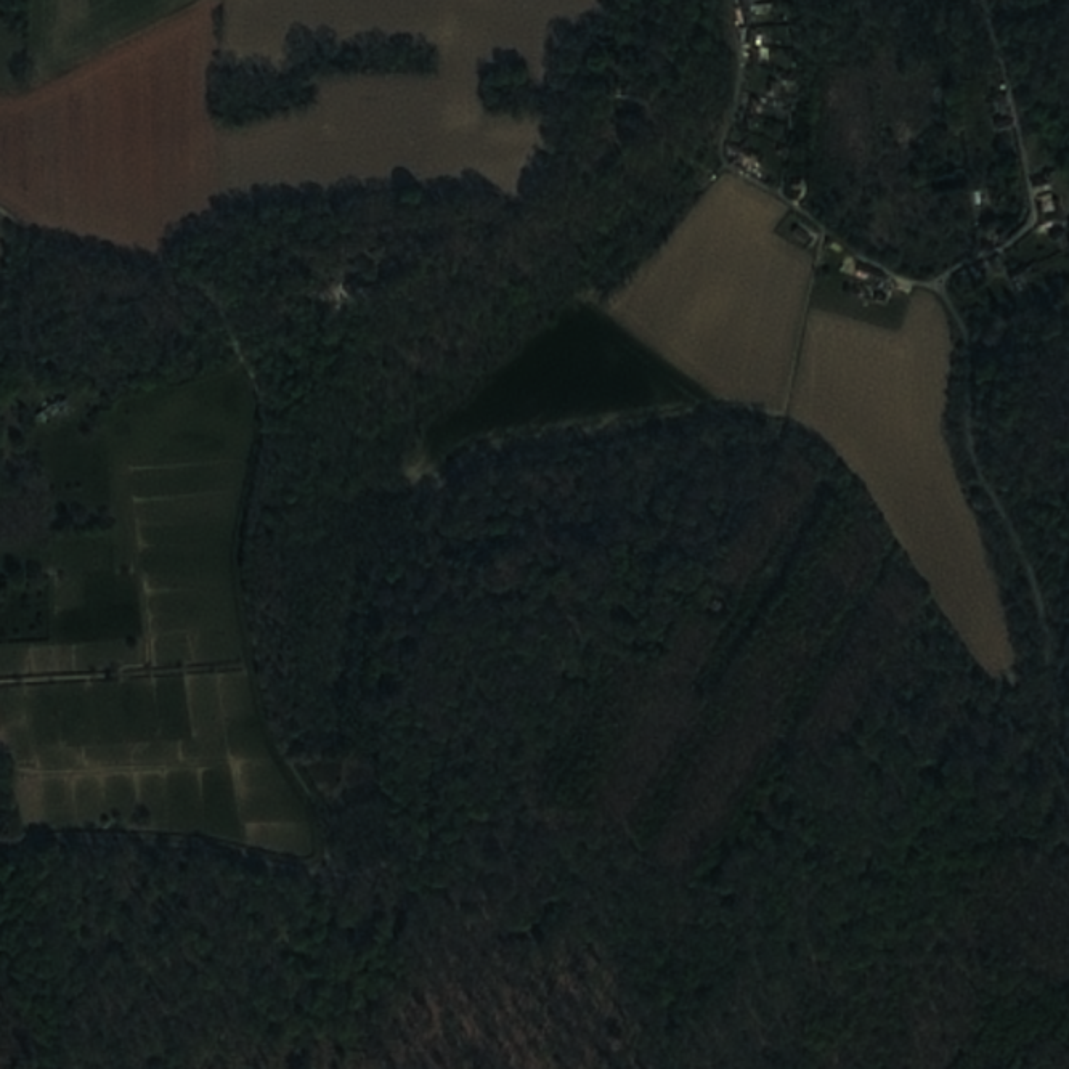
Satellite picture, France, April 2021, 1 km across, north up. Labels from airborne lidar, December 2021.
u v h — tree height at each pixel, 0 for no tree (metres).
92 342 22
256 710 0
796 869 30
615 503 28
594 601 25
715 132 6
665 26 24
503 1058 36
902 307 0
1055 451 15
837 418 0
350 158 0
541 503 26
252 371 19
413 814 26
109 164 0
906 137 0
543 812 18
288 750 12
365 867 26
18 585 14
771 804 13
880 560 8
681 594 19
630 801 23
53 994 28
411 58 15
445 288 18
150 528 0
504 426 0
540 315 25
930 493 0
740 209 0
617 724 22
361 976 18
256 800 0
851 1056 27
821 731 24
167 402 0
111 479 0
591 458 16
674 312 0
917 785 26
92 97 0
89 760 0
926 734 33
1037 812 29
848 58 12
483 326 25
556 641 25
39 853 30
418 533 23
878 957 19
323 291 0
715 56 20
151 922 37
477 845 34
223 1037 35
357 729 24
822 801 25
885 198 18
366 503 19
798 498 19
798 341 0
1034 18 21
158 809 0
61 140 0
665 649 16
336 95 0
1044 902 25
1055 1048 25
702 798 24
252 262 26
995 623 0
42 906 31
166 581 0
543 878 33
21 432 8
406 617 29
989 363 32
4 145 0
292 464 24
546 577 16
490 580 23
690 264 0
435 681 20
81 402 0
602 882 27
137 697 0
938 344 0
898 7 32
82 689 0
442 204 24
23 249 16
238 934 34
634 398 0
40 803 0
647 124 28
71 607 0
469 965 34
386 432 19
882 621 26
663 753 22
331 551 21
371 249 8
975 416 19
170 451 0
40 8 0
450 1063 32
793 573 21
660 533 8
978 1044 15
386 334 18
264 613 20
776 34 0
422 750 22
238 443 0
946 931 26
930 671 15
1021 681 23
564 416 0
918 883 31
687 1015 31
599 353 0
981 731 31
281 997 35
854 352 0
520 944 32
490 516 20
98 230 0
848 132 0
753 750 24
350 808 23
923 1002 23
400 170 0
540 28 0
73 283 32
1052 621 18
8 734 0
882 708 25
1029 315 23
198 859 30
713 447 28
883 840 23
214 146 0
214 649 0
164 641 0
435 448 0
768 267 0
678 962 28
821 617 22
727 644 6
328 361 21
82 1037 37
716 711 15
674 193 13
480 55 0
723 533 15
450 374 19
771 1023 27
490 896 34
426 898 33
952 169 14
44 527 23
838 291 0
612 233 26
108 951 33
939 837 29
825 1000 23
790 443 22
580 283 23
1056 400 30
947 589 0
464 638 17
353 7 0
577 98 21
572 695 22
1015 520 15
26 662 0
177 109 0
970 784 23
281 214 25
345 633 9
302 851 0
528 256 21
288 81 14
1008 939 27
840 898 29
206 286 20
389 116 0
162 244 0
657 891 27
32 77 11
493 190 19
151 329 24
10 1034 0
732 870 30
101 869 32
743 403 0
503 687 23
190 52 0
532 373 0
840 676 20
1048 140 19
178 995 33
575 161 25
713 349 0
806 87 10
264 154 0
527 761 29
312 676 21
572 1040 38
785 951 32
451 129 0
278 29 0
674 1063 32
